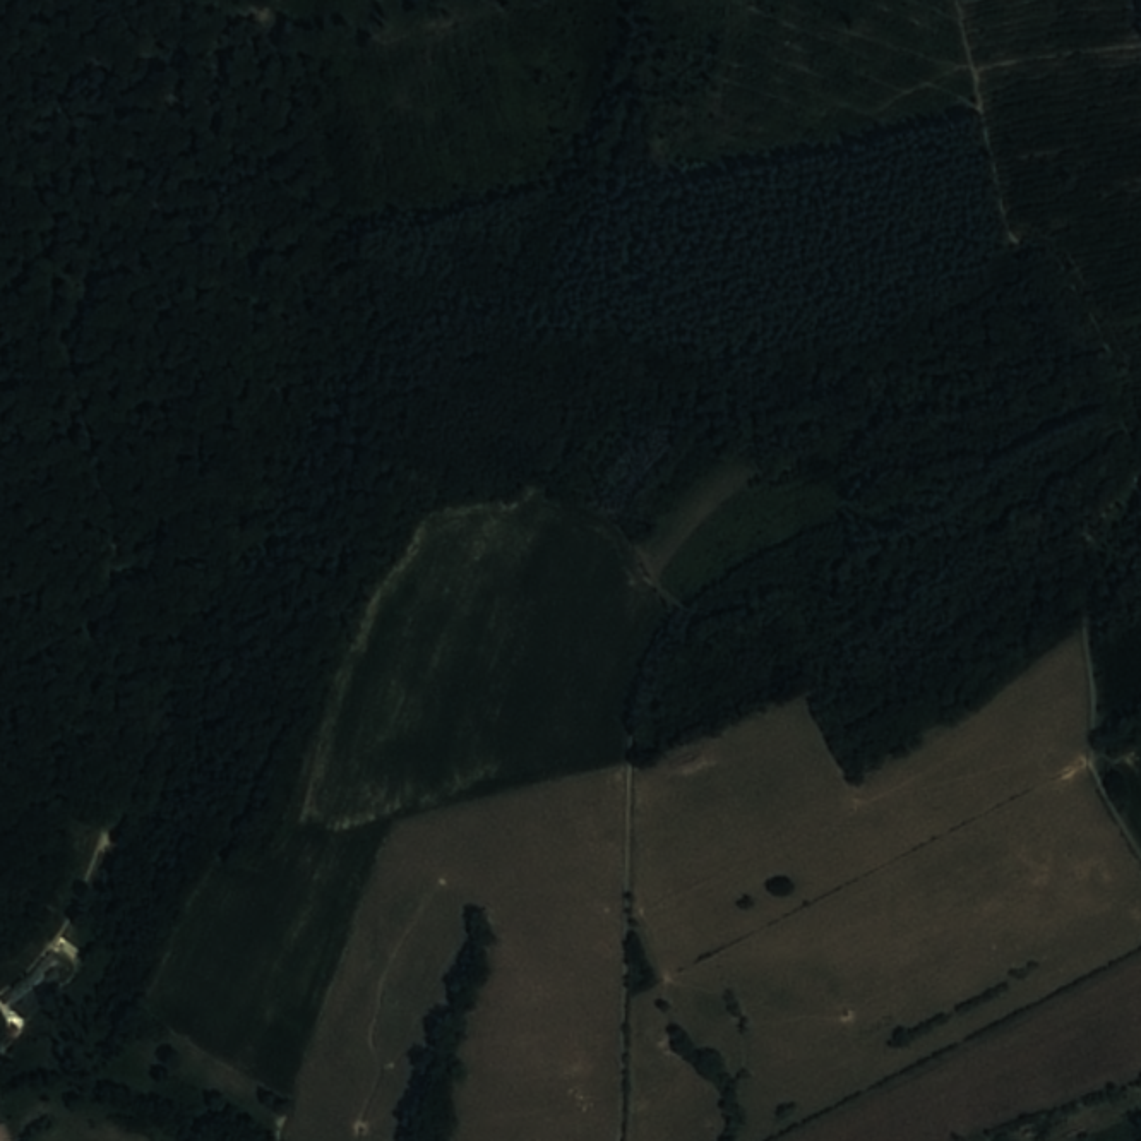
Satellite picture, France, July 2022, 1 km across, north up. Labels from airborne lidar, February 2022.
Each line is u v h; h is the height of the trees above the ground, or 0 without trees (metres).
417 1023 0
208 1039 0
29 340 25
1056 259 7
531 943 0
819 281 30
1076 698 0
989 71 0
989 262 33
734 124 0
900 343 32
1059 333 24
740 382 25
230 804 22
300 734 23
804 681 20
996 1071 0
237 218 18
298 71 29
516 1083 0
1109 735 19
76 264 29
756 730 0
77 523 28
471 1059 0
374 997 0
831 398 32
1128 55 0
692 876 0
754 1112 0
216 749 23
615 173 27
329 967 0
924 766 0
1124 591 24
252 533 28
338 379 24
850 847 0
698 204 28
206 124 29
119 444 28
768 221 26
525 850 0
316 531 24
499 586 0
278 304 30
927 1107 0
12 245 26
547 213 23
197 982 0
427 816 0
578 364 20
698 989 0
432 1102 27
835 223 30
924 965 0
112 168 29
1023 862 0
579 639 0
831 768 0
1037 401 26
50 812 31
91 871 0
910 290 33
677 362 18
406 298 24
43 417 29
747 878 0
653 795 0
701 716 11
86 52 29
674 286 33
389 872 0
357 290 10
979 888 0
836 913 0
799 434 22
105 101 26
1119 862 0
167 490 30
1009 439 20
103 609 25
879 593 22
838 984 0
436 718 0
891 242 33
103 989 9
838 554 11
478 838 0
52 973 6
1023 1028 0
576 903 0
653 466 13
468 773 0
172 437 30
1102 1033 0
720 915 0
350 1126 0
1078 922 0
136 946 18
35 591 12
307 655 28
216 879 0
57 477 26
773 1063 0
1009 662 19
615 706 0
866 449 20
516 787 0
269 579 24
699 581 0
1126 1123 0
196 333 25
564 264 27
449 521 0
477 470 21
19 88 26
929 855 0
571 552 0
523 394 21
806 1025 0
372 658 0
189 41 32
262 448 17
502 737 0
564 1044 0
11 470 25
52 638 18
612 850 0
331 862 0
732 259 23
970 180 33
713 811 0
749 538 0
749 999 0
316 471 30
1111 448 20
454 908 0
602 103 15
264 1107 15
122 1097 20
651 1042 0
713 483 0
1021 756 0
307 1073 0
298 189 28
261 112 26
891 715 22
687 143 0
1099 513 20
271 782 30
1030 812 0
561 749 0
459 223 26
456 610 0
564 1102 0
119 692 21
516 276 22
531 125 0
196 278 27
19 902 26
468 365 20
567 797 0
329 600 23
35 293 27
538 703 0
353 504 31
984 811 0
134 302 30
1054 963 0
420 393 22
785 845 0
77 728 25
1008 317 25
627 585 0
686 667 19
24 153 25
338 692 0
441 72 0
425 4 27
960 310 14
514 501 19
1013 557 28
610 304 26
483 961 12
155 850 21
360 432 18
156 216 29
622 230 30
